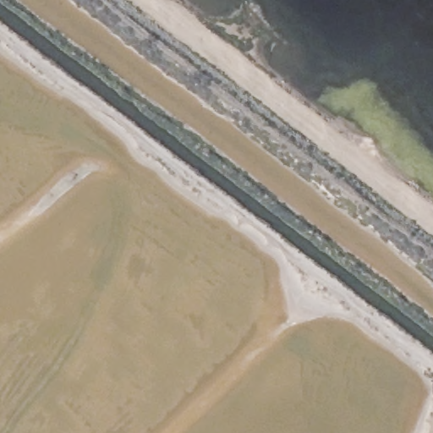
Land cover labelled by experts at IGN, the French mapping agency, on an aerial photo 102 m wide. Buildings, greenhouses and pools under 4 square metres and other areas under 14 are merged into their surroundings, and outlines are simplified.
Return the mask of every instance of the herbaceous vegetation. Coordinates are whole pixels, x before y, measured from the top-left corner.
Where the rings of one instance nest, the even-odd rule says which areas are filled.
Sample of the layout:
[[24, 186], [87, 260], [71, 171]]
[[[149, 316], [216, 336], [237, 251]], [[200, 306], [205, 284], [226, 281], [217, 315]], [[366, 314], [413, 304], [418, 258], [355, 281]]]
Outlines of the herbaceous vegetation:
[[[250, 0], [247, 0], [240, 3], [240, 7], [233, 10], [232, 14], [220, 17], [206, 14], [201, 12], [200, 8], [196, 8], [193, 15], [196, 15], [196, 19], [200, 20], [206, 29], [242, 52], [250, 51], [252, 39], [257, 37], [257, 52], [266, 59], [276, 47], [279, 32], [269, 24], [259, 5]], [[227, 30], [218, 27], [218, 22], [235, 24], [238, 30], [249, 29], [250, 36], [247, 39], [238, 39], [237, 36], [228, 34]]]
[[396, 306], [397, 310], [408, 316], [409, 320], [413, 320], [419, 328], [426, 332], [433, 328], [433, 315], [426, 315], [423, 308], [411, 303], [401, 291], [392, 286], [391, 282], [375, 274], [354, 254], [343, 252], [342, 247], [330, 235], [321, 232], [320, 228], [308, 222], [304, 216], [296, 215], [291, 208], [277, 200], [277, 196], [266, 186], [257, 183], [240, 167], [220, 156], [198, 135], [184, 129], [183, 123], [169, 117], [161, 108], [154, 107], [151, 101], [135, 93], [130, 86], [110, 73], [107, 64], [98, 63], [86, 52], [69, 44], [68, 39], [59, 30], [49, 29], [17, 0], [0, 0], [0, 5], [24, 20], [37, 34], [46, 37], [59, 51], [63, 51], [66, 56], [95, 74], [96, 78], [101, 79], [108, 88], [112, 88], [120, 98], [134, 103], [134, 107], [139, 108], [142, 115], [166, 130], [167, 134], [176, 137], [184, 147], [195, 152], [208, 166], [222, 173], [228, 181], [232, 181], [255, 201], [259, 201], [260, 205], [271, 211], [272, 215], [276, 215], [288, 227], [293, 228], [294, 232], [308, 238], [318, 250], [330, 255], [343, 269], [354, 274], [365, 286], [369, 286], [374, 293], [386, 299], [387, 303]]
[[250, 144], [259, 147], [259, 151], [272, 157], [277, 166], [286, 169], [294, 178], [310, 186], [321, 200], [345, 216], [348, 222], [354, 223], [359, 230], [369, 233], [381, 247], [387, 247], [387, 242], [394, 242], [397, 249], [403, 250], [416, 260], [418, 271], [433, 281], [433, 230], [426, 232], [419, 227], [416, 220], [408, 218], [399, 208], [384, 200], [379, 193], [370, 188], [369, 184], [365, 184], [354, 173], [350, 173], [337, 159], [330, 157], [328, 152], [321, 151], [320, 147], [313, 144], [301, 130], [294, 129], [291, 123], [267, 107], [264, 101], [250, 95], [250, 91], [240, 88], [237, 81], [230, 78], [223, 69], [203, 58], [200, 52], [193, 51], [186, 42], [176, 39], [169, 30], [157, 24], [156, 20], [145, 14], [132, 0], [74, 0], [79, 7], [85, 7], [95, 19], [108, 25], [115, 34], [122, 37], [123, 41], [134, 46], [140, 54], [144, 54], [145, 58], [152, 61], [152, 69], [161, 74], [162, 78], [178, 86], [179, 90], [191, 96], [215, 117], [230, 123], [233, 130], [237, 130], [250, 140]]

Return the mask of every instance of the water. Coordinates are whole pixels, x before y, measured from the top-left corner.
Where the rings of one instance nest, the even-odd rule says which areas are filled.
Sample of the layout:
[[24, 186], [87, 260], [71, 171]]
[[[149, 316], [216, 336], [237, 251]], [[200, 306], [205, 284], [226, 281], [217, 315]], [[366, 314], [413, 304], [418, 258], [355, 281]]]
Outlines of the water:
[[352, 323], [337, 318], [316, 318], [294, 325], [293, 330], [277, 343], [276, 347], [269, 350], [186, 433], [418, 433], [416, 421], [425, 404], [426, 394], [425, 384], [419, 379], [418, 372], [404, 364], [403, 360], [397, 359], [387, 348], [370, 340]]
[[201, 12], [206, 14], [220, 17], [232, 14], [233, 10], [240, 7], [240, 3], [247, 0], [188, 0], [196, 8], [200, 8]]
[[44, 58], [76, 79], [79, 85], [86, 86], [96, 96], [100, 96], [101, 100], [107, 101], [110, 107], [122, 113], [123, 117], [129, 118], [130, 122], [134, 122], [145, 134], [159, 142], [162, 147], [166, 147], [179, 161], [188, 164], [200, 176], [215, 184], [216, 188], [222, 189], [225, 195], [237, 201], [238, 205], [250, 211], [255, 218], [259, 218], [260, 222], [269, 225], [288, 244], [313, 260], [316, 266], [337, 277], [343, 286], [354, 291], [365, 303], [370, 304], [403, 332], [433, 352], [433, 328], [426, 332], [419, 328], [413, 320], [409, 320], [408, 316], [397, 310], [396, 306], [387, 303], [386, 299], [374, 293], [369, 286], [365, 286], [354, 274], [343, 269], [330, 255], [318, 250], [308, 238], [294, 232], [293, 228], [288, 227], [276, 215], [272, 215], [271, 211], [260, 205], [259, 201], [255, 201], [232, 181], [228, 181], [222, 173], [208, 166], [195, 152], [184, 147], [176, 137], [167, 134], [166, 130], [142, 115], [139, 108], [134, 107], [134, 103], [120, 98], [112, 88], [108, 88], [101, 79], [96, 78], [95, 74], [66, 56], [63, 51], [59, 51], [46, 37], [37, 34], [24, 20], [0, 5], [0, 22], [7, 25], [8, 29], [15, 32], [30, 47], [41, 52]]
[[403, 181], [408, 188], [413, 188], [433, 203], [433, 0], [250, 0], [259, 5], [269, 24], [279, 32], [276, 47], [266, 59], [266, 63], [272, 69], [276, 69], [279, 76], [296, 91], [303, 96], [306, 107], [313, 108], [326, 120], [343, 118], [345, 122], [354, 123], [357, 134], [364, 137], [372, 139], [375, 149], [384, 157], [384, 171], [394, 174], [394, 178]]
[[76, 169], [88, 161], [98, 164], [98, 171], [69, 189], [61, 200], [56, 201], [41, 216], [36, 216], [29, 225], [25, 225], [22, 232], [8, 240], [7, 244], [0, 245], [0, 433], [173, 433], [167, 428], [166, 423], [169, 423], [196, 394], [200, 394], [201, 389], [205, 389], [255, 337], [259, 325], [260, 304], [267, 299], [269, 279], [276, 276], [279, 266], [271, 255], [262, 252], [252, 240], [245, 237], [244, 233], [235, 230], [222, 218], [206, 215], [205, 211], [184, 200], [183, 196], [169, 188], [152, 169], [135, 161], [127, 147], [122, 144], [122, 140], [108, 132], [98, 120], [91, 117], [90, 113], [68, 98], [47, 90], [46, 86], [30, 78], [19, 66], [0, 56], [0, 222], [10, 215], [17, 218], [20, 213], [29, 210], [30, 206], [36, 205], [39, 198], [46, 193], [46, 189], [52, 188], [58, 183], [59, 178], [68, 173], [69, 167]]

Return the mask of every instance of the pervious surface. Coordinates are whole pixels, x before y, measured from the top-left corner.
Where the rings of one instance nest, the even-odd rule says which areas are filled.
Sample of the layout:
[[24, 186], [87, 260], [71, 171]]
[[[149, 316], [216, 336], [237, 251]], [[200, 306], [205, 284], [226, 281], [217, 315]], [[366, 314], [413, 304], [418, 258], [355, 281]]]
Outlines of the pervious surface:
[[274, 79], [269, 78], [259, 68], [255, 68], [254, 64], [250, 64], [242, 52], [206, 29], [200, 20], [196, 19], [196, 15], [193, 15], [196, 8], [188, 0], [132, 0], [145, 14], [156, 20], [157, 24], [169, 30], [176, 39], [186, 42], [193, 51], [200, 52], [203, 58], [223, 69], [230, 78], [237, 81], [240, 88], [250, 91], [250, 95], [264, 101], [267, 107], [291, 123], [294, 129], [301, 130], [313, 144], [320, 147], [321, 151], [328, 152], [330, 157], [337, 159], [350, 173], [354, 173], [365, 184], [369, 184], [370, 188], [379, 193], [384, 200], [399, 208], [408, 218], [416, 220], [419, 227], [426, 232], [433, 230], [433, 203], [413, 188], [408, 188], [403, 181], [394, 178], [394, 174], [384, 171], [384, 157], [375, 149], [372, 139], [364, 137], [360, 144], [354, 144], [352, 140], [345, 139], [343, 135], [335, 132], [326, 120], [313, 108], [306, 107], [303, 96], [296, 91], [294, 95], [289, 95], [288, 91], [279, 88]]
[[0, 245], [7, 244], [8, 240], [22, 232], [25, 225], [29, 225], [36, 216], [41, 216], [56, 201], [61, 200], [69, 189], [98, 171], [98, 164], [88, 161], [76, 169], [69, 167], [68, 173], [59, 178], [58, 183], [52, 188], [46, 189], [46, 193], [39, 198], [36, 205], [30, 206], [29, 210], [20, 213], [17, 218], [10, 215], [0, 222]]
[[98, 120], [108, 132], [122, 140], [122, 144], [127, 147], [135, 161], [152, 169], [169, 188], [183, 196], [184, 200], [205, 211], [206, 215], [222, 218], [235, 230], [244, 233], [245, 237], [252, 240], [262, 252], [271, 255], [279, 266], [276, 276], [269, 279], [267, 299], [260, 304], [259, 325], [255, 337], [205, 389], [201, 389], [200, 394], [196, 394], [169, 423], [166, 423], [167, 428], [173, 433], [186, 433], [269, 350], [276, 347], [277, 343], [293, 330], [294, 325], [316, 318], [337, 318], [352, 323], [370, 340], [387, 348], [397, 359], [403, 360], [404, 364], [418, 372], [419, 379], [425, 384], [426, 394], [425, 404], [416, 421], [418, 433], [433, 433], [433, 352], [403, 332], [370, 304], [365, 303], [354, 291], [343, 286], [337, 277], [316, 266], [313, 260], [288, 244], [269, 225], [260, 222], [259, 218], [255, 218], [250, 211], [238, 205], [237, 201], [225, 195], [222, 189], [216, 188], [215, 184], [200, 176], [188, 164], [179, 161], [166, 147], [162, 147], [159, 142], [145, 134], [134, 122], [130, 122], [129, 118], [123, 117], [122, 113], [110, 107], [107, 101], [101, 100], [100, 96], [96, 96], [86, 86], [79, 85], [76, 79], [44, 58], [41, 52], [30, 47], [15, 32], [8, 29], [7, 25], [0, 22], [0, 56], [19, 66], [30, 78], [46, 86], [47, 90], [68, 98], [90, 113], [91, 117]]
[[375, 274], [391, 282], [392, 286], [401, 291], [411, 303], [423, 308], [426, 315], [433, 315], [433, 281], [418, 271], [416, 260], [403, 250], [397, 249], [394, 242], [387, 242], [387, 247], [381, 247], [369, 233], [359, 230], [354, 223], [348, 222], [345, 216], [321, 200], [310, 186], [294, 178], [286, 169], [277, 166], [272, 157], [259, 151], [259, 147], [250, 144], [250, 140], [237, 130], [233, 130], [230, 123], [215, 117], [191, 96], [179, 90], [178, 86], [162, 78], [161, 74], [152, 69], [152, 61], [145, 58], [144, 54], [140, 54], [134, 46], [123, 41], [122, 37], [115, 34], [108, 25], [95, 19], [85, 7], [79, 7], [74, 0], [17, 0], [49, 29], [59, 30], [68, 39], [69, 44], [86, 52], [98, 63], [107, 64], [110, 73], [130, 86], [135, 93], [151, 101], [154, 107], [161, 108], [169, 117], [183, 123], [184, 129], [198, 135], [220, 156], [240, 167], [257, 183], [266, 186], [277, 196], [277, 200], [291, 208], [296, 215], [304, 216], [308, 222], [320, 228], [321, 232], [330, 235], [342, 247], [343, 252], [354, 254]]

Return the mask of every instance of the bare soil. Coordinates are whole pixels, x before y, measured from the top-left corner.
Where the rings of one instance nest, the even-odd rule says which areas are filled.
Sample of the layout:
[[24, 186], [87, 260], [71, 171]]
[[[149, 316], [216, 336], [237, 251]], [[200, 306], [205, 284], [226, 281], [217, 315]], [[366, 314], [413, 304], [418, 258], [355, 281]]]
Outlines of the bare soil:
[[352, 140], [354, 144], [360, 144], [364, 137], [357, 134], [354, 123], [345, 122], [343, 118], [326, 120], [335, 132], [343, 135], [345, 139]]
[[254, 64], [255, 68], [259, 68], [269, 78], [274, 79], [279, 88], [288, 91], [289, 95], [294, 95], [296, 91], [279, 76], [276, 69], [272, 69], [266, 63], [266, 59], [257, 52], [257, 37], [252, 39], [250, 51], [242, 52], [250, 64]]
[[237, 36], [238, 39], [247, 39], [250, 36], [249, 29], [238, 30], [235, 24], [218, 22], [218, 27], [227, 30], [228, 34]]

